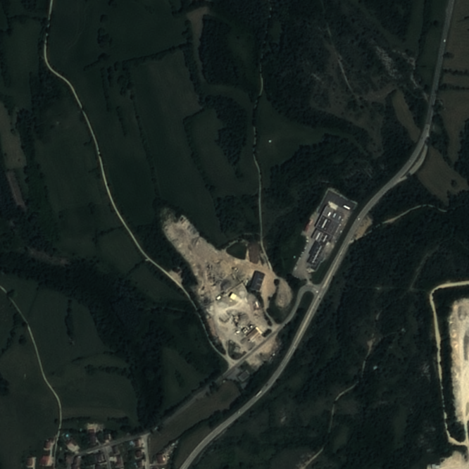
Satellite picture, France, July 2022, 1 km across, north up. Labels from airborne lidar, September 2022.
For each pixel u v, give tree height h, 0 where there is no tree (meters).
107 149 0
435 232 10
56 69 6
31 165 10
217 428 0
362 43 7
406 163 0
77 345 0
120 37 0
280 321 9
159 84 0
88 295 14
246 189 0
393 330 6
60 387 0
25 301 0
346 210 0
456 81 0
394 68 7
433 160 0
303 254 0
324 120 8
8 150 0
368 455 9
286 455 0
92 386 0
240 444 13
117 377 0
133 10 0
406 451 6
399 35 7
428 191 10
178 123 0
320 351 11
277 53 14
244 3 19
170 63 0
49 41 10
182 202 0
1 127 0
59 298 0
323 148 12
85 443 8
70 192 0
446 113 0
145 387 10
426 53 0
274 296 6
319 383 13
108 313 7
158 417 20
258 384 14
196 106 0
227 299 0
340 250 0
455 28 0
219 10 6
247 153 0
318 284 0
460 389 0
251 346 0
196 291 0
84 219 0
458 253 7
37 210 9
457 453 0
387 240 7
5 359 0
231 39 0
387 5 7
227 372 0
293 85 7
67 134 0
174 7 6
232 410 15
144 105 0
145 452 0
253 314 0
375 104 8
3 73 6
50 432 0
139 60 8
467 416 0
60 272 9
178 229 0
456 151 0
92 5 0
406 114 0
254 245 0
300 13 8
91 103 0
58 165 0
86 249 0
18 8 0
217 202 7
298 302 0
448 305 8
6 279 0
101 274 7
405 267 10
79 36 0
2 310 0
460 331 0
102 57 13
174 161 0
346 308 16
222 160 0
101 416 0
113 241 0
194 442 0
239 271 0
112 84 7
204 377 0
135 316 26
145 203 0
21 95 0
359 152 6
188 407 0
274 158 0
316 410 0
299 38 11
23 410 0
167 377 0
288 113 14
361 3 9
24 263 19
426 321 12
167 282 7
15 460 0
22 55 0
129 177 0
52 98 14
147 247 10
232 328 0
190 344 0
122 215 7
